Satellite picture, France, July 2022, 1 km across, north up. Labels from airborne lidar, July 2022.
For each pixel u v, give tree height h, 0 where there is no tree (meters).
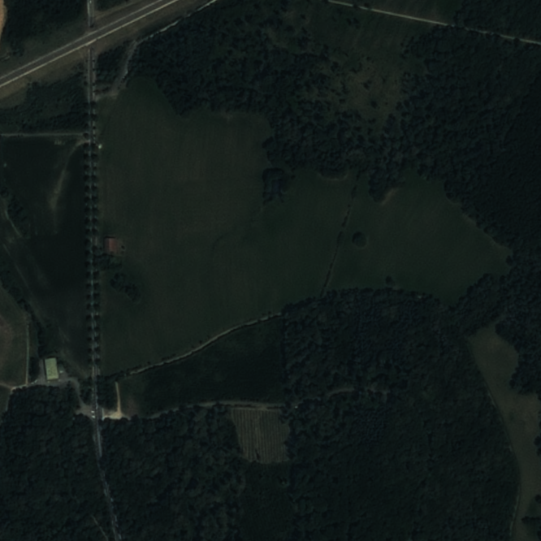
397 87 0
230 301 0
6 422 10
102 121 0
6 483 27
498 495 17
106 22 0
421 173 18
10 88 0
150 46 11
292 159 7
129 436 27
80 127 5
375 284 0
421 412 20
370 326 22
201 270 0
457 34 21
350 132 29
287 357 27
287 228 0
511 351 0
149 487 29
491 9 25
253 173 0
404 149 19
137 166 0
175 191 0
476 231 0
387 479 24
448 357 23
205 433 29
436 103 31
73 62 0
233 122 0
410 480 24
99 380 14
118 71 7
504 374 0
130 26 0
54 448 24
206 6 8
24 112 7
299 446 27
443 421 24
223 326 0
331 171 25
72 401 13
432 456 17
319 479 33
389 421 23
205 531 28
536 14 26
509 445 21
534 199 13
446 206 0
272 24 27
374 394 24
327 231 0
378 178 23
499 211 20
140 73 16
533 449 0
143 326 0
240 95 18
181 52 33
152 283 0
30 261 0
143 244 0
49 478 27
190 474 25
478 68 23
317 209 0
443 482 23
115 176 0
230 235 0
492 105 26
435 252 0
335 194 0
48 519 28
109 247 0
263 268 0
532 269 18
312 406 28
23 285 0
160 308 0
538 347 14
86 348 0
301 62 24
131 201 0
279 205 0
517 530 0
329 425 24
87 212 15
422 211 0
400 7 0
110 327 0
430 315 25
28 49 0
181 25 8
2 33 6
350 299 23
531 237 22
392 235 0
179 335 0
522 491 0
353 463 25
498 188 18
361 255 0
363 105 0
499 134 22
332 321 26
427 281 0
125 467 23
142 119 0
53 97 7
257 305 0
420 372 22
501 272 0
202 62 33
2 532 29
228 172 0
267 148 18
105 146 0
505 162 16
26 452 25
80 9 10
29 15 8
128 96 0
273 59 25
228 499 6
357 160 21
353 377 30
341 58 0
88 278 14
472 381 24
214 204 0
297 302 0
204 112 0
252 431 0
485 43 23
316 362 29
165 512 27
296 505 26
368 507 26
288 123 20
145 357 0
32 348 0
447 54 24
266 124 0
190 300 0
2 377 0
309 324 16
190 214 0
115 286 21
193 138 0
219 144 0
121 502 22
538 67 23
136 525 17
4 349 0
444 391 19
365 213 0
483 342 0
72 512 27
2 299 0
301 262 0
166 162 0
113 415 0
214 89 17
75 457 25
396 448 21
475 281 0
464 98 15
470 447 18
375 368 31
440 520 25
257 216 0
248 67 29
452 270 0
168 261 0
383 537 28
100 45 0
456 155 20
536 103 20
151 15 0
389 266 0
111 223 0
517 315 8
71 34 0
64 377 0
